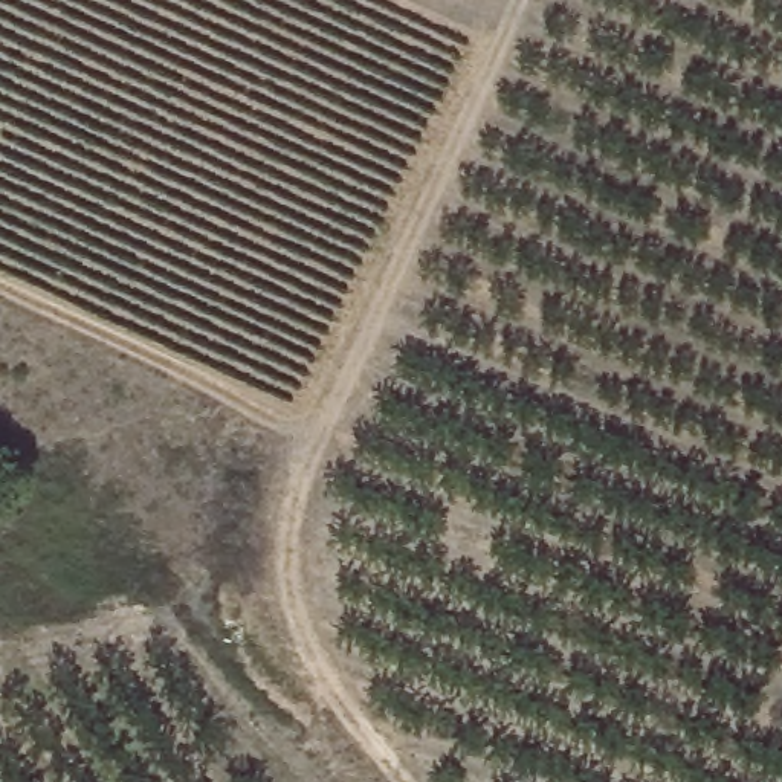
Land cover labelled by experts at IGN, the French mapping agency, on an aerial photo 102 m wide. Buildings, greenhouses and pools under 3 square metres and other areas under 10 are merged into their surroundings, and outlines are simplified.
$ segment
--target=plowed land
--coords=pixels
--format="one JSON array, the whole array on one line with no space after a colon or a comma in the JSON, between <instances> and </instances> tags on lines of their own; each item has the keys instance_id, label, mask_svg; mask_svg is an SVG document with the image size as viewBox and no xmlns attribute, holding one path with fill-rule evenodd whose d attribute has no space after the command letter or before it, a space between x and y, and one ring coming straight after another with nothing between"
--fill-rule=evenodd
<instances>
[{"instance_id":1,"label":"plowed land","mask_svg":"<svg viewBox=\"0 0 782 782\"><path fill-rule=\"evenodd\" d=\"M473 339L455 339L446 330L425 327L422 309L425 299L434 296L434 281L422 281L418 269L406 278L403 290L397 293L382 342L376 345L360 376L360 385L351 391L345 403L345 418L330 431L327 461L351 458L354 422L370 422L379 409L376 385L385 382L385 376L397 367L397 351L403 339L440 345L449 354L477 360L477 367L486 373L504 373L513 382L519 382L525 360L522 345L513 348L510 360L504 360L501 336L492 336L492 345L480 351L473 348Z\"/></svg>"},{"instance_id":2,"label":"plowed land","mask_svg":"<svg viewBox=\"0 0 782 782\"><path fill-rule=\"evenodd\" d=\"M0 635L0 687L3 678L15 669L27 675L27 684L34 690L46 684L49 654L55 645L76 654L82 672L98 672L95 651L101 638L82 635L79 623L49 623L31 626L9 638Z\"/></svg>"},{"instance_id":3,"label":"plowed land","mask_svg":"<svg viewBox=\"0 0 782 782\"><path fill-rule=\"evenodd\" d=\"M473 510L470 498L458 495L455 504L446 510L446 559L473 559L477 574L486 577L495 568L492 532L498 528L498 516Z\"/></svg>"},{"instance_id":4,"label":"plowed land","mask_svg":"<svg viewBox=\"0 0 782 782\"><path fill-rule=\"evenodd\" d=\"M388 782L428 782L434 764L440 764L443 755L449 755L452 739L440 739L428 730L403 733L397 718L373 721L379 736L385 736L385 742L400 758L400 764L385 776Z\"/></svg>"},{"instance_id":5,"label":"plowed land","mask_svg":"<svg viewBox=\"0 0 782 782\"><path fill-rule=\"evenodd\" d=\"M715 590L721 577L718 550L712 550L693 559L693 608L721 608Z\"/></svg>"},{"instance_id":6,"label":"plowed land","mask_svg":"<svg viewBox=\"0 0 782 782\"><path fill-rule=\"evenodd\" d=\"M309 492L299 528L302 596L312 617L312 629L327 648L330 666L339 672L345 690L367 709L373 666L357 641L345 641L339 635L342 599L336 553L342 550L342 544L330 535L330 525L339 513L339 498L327 495L324 473L315 480Z\"/></svg>"},{"instance_id":7,"label":"plowed land","mask_svg":"<svg viewBox=\"0 0 782 782\"><path fill-rule=\"evenodd\" d=\"M501 235L507 223L513 223L513 235L519 238L535 232L538 211L501 208L501 214L489 220L489 232Z\"/></svg>"},{"instance_id":8,"label":"plowed land","mask_svg":"<svg viewBox=\"0 0 782 782\"><path fill-rule=\"evenodd\" d=\"M590 49L593 15L605 15L617 24L629 24L632 18L632 12L614 9L599 0L556 0L556 3L565 3L577 12L577 27L571 37L550 37L547 31L538 40L541 52L568 49L574 58L583 58Z\"/></svg>"},{"instance_id":9,"label":"plowed land","mask_svg":"<svg viewBox=\"0 0 782 782\"><path fill-rule=\"evenodd\" d=\"M672 43L672 64L663 70L660 86L660 95L672 98L681 89L687 64L703 55L703 43L678 37Z\"/></svg>"},{"instance_id":10,"label":"plowed land","mask_svg":"<svg viewBox=\"0 0 782 782\"><path fill-rule=\"evenodd\" d=\"M544 290L538 281L532 281L522 290L522 324L535 336L544 330Z\"/></svg>"},{"instance_id":11,"label":"plowed land","mask_svg":"<svg viewBox=\"0 0 782 782\"><path fill-rule=\"evenodd\" d=\"M730 159L724 174L742 177L742 199L739 208L709 211L709 235L700 241L700 254L715 260L721 260L724 254L724 238L730 226L748 220L755 183L764 180L764 168Z\"/></svg>"},{"instance_id":12,"label":"plowed land","mask_svg":"<svg viewBox=\"0 0 782 782\"><path fill-rule=\"evenodd\" d=\"M492 284L477 278L464 290L464 302L470 309L483 309L486 315L492 315Z\"/></svg>"},{"instance_id":13,"label":"plowed land","mask_svg":"<svg viewBox=\"0 0 782 782\"><path fill-rule=\"evenodd\" d=\"M550 107L580 113L580 92L550 79L550 61L538 58L535 73L519 67L513 79L544 92L550 98Z\"/></svg>"},{"instance_id":14,"label":"plowed land","mask_svg":"<svg viewBox=\"0 0 782 782\"><path fill-rule=\"evenodd\" d=\"M535 125L532 134L538 134L547 144L556 144L562 156L571 150L571 128Z\"/></svg>"},{"instance_id":15,"label":"plowed land","mask_svg":"<svg viewBox=\"0 0 782 782\"><path fill-rule=\"evenodd\" d=\"M715 312L730 318L736 330L767 336L767 324L761 315L733 305L730 299L721 299Z\"/></svg>"}]
</instances>

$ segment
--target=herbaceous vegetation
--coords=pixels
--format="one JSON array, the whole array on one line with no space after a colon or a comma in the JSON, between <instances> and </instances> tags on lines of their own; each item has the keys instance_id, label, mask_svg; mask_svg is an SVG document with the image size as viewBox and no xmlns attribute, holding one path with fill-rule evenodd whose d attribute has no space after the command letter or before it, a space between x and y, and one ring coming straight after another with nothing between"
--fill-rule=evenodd
<instances>
[{"instance_id":1,"label":"herbaceous vegetation","mask_svg":"<svg viewBox=\"0 0 782 782\"><path fill-rule=\"evenodd\" d=\"M272 568L275 532L269 528L263 513L263 486L281 467L278 452L290 443L290 437L244 418L235 409L226 409L220 400L171 379L168 373L137 357L128 357L125 351L107 348L104 342L95 342L0 296L0 409L6 409L21 428L27 428L40 446L31 477L24 477L18 486L18 498L0 504L0 635L9 638L31 626L49 623L79 623L98 614L101 599L125 596L128 605L150 608L165 605L183 587L192 617L202 626L208 626L208 632L217 641L226 641L232 629L223 626L220 617L220 590L229 583L235 593L250 596L254 583L263 580L263 574Z\"/></svg>"}]
</instances>

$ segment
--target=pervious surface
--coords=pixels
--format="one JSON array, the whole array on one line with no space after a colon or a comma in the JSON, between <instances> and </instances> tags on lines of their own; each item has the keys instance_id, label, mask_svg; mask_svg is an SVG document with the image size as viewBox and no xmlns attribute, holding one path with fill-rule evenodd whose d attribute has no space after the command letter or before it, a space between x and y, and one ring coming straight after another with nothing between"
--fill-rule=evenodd
<instances>
[{"instance_id":1,"label":"pervious surface","mask_svg":"<svg viewBox=\"0 0 782 782\"><path fill-rule=\"evenodd\" d=\"M278 452L281 467L263 486L263 513L269 528L275 532L272 568L278 583L278 605L293 638L293 654L302 663L299 675L312 678L309 690L318 700L318 706L333 709L342 730L376 761L379 773L385 776L400 764L400 758L385 742L385 736L379 736L373 721L367 709L345 690L339 672L330 666L327 648L312 629L312 617L302 596L299 528L309 492L315 480L324 473L327 461L330 431L345 418L345 403L351 391L360 385L360 376L376 345L382 342L397 293L403 290L406 278L418 269L418 254L431 250L431 241L440 235L443 214L458 211L461 205L461 162L477 165L483 156L480 131L501 110L498 82L513 79L519 67L516 43L538 40L547 31L544 12L556 3L556 0L394 0L431 21L461 31L467 37L467 49L461 52L461 64L455 67L446 95L437 101L437 110L425 125L418 150L409 156L403 177L394 186L385 217L388 226L370 238L360 266L342 296L342 305L321 339L321 351L315 354L312 370L305 382L296 388L293 400L278 400L272 394L247 388L217 370L208 370L183 354L174 354L144 336L113 327L64 299L55 299L0 272L0 296L95 342L104 342L107 348L125 351L128 357L137 357L168 373L171 379L220 400L226 409L235 409L244 418L290 437L290 443Z\"/></svg>"}]
</instances>

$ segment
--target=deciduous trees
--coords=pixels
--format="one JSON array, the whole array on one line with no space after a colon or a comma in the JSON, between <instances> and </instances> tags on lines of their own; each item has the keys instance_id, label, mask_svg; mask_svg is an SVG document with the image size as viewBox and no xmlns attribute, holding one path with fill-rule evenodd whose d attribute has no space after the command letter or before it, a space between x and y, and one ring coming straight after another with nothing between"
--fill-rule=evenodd
<instances>
[{"instance_id":1,"label":"deciduous trees","mask_svg":"<svg viewBox=\"0 0 782 782\"><path fill-rule=\"evenodd\" d=\"M21 428L6 409L0 409L0 504L18 498L18 486L24 477L31 477L40 446L27 428Z\"/></svg>"},{"instance_id":2,"label":"deciduous trees","mask_svg":"<svg viewBox=\"0 0 782 782\"><path fill-rule=\"evenodd\" d=\"M418 254L418 269L422 281L434 281L434 296L425 299L422 309L425 327L446 330L455 339L473 339L473 348L480 351L492 345L492 336L501 336L504 360L510 360L513 348L522 345L525 360L519 382L513 382L504 373L486 373L477 367L477 360L449 354L440 345L403 339L397 351L397 367L385 376L385 382L376 385L379 409L370 422L354 422L351 458L327 461L324 473L327 495L339 498L339 513L330 525L330 535L342 544L342 550L336 553L342 599L339 635L345 641L357 641L373 666L367 709L373 721L397 718L403 733L428 730L440 739L452 739L449 755L443 755L440 764L434 764L428 782L782 782L782 0L599 0L614 9L632 12L632 18L629 24L617 24L605 15L593 15L590 49L583 58L574 58L568 49L541 52L538 40L516 43L519 67L535 73L538 58L550 61L550 79L580 92L580 113L550 107L550 98L544 92L513 79L498 82L501 110L480 131L483 156L477 165L461 162L461 205L458 211L443 214L440 235L431 241L431 250ZM660 86L663 70L672 64L672 43L678 37L703 43L703 55L687 64L681 89L672 98L660 95ZM556 144L547 144L538 134L532 134L535 125L571 128L571 150L562 156ZM709 211L739 208L742 199L742 177L724 174L730 159L764 168L764 180L755 183L748 220L730 226L724 238L724 254L721 260L715 260L700 254L700 241L709 235ZM538 211L535 232L519 238L513 235L513 223L507 223L501 235L489 232L489 220L501 214L501 208ZM492 284L492 315L486 315L483 309L470 309L464 302L464 290L477 278ZM522 324L522 290L532 281L538 281L544 290L544 330L535 336ZM730 318L715 312L721 299L730 299L733 305L761 315L767 324L767 336L736 330ZM446 510L455 504L458 495L470 498L473 510L498 516L498 528L492 532L495 568L486 577L477 574L473 559L446 559ZM718 550L721 577L715 590L721 608L693 608L693 559L712 550Z\"/></svg>"},{"instance_id":3,"label":"deciduous trees","mask_svg":"<svg viewBox=\"0 0 782 782\"><path fill-rule=\"evenodd\" d=\"M577 12L565 3L556 3L544 12L547 31L550 37L571 37L577 27Z\"/></svg>"},{"instance_id":4,"label":"deciduous trees","mask_svg":"<svg viewBox=\"0 0 782 782\"><path fill-rule=\"evenodd\" d=\"M79 623L82 635L101 638L95 651L98 672L82 672L76 654L55 645L49 654L46 684L34 690L27 684L27 675L15 669L3 678L0 687L0 782L388 782L385 776L379 773L376 761L342 730L333 709L318 706L318 700L309 690L312 678L299 675L302 663L293 654L293 638L278 605L278 583L272 568L263 574L263 580L254 583L250 596L235 593L229 583L220 590L220 617L223 626L232 629L226 641L217 641L208 632L208 626L202 626L192 617L183 587L165 605L150 608L128 605L125 596L101 599L98 614Z\"/></svg>"}]
</instances>

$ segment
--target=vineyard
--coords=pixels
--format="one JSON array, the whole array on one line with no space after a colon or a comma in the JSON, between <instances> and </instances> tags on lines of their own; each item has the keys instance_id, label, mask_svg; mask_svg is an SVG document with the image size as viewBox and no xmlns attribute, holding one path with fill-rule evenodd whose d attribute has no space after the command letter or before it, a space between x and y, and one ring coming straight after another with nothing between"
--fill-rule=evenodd
<instances>
[{"instance_id":1,"label":"vineyard","mask_svg":"<svg viewBox=\"0 0 782 782\"><path fill-rule=\"evenodd\" d=\"M272 394L278 400L293 400L296 388L305 382L312 370L315 354L321 351L321 339L342 305L342 296L360 266L370 238L388 226L385 217L394 186L403 177L409 156L418 150L425 125L437 110L437 101L446 95L455 67L461 64L461 52L467 49L467 37L461 31L431 21L394 0L0 0L0 272L55 299L64 299L113 327L144 336L174 354L183 354L208 370L217 370L247 388Z\"/></svg>"}]
</instances>

